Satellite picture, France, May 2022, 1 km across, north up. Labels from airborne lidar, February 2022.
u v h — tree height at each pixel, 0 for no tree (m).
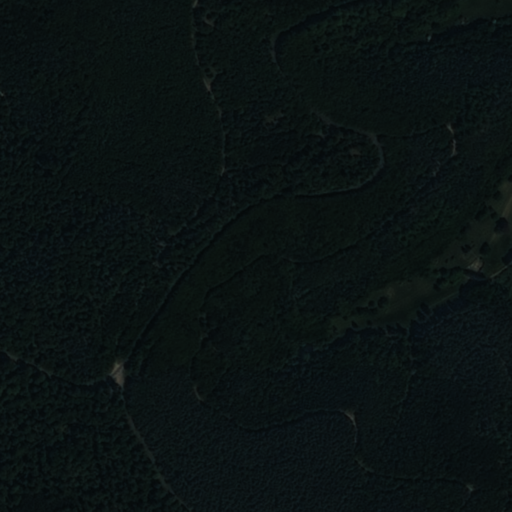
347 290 27
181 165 21
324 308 22
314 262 17
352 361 19
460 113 25
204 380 22
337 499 26
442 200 22
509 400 20
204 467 24
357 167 10
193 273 20
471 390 19
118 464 31
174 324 18
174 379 23
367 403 18
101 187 20
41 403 31
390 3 33
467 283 0
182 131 17
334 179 11
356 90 16
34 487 31
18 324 28
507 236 0
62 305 30
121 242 27
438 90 17
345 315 16
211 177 18
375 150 11
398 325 0
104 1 15
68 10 19
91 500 28
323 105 22
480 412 9
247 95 17
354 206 14
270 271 17
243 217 21
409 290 0
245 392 13
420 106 16
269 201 17
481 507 12
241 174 12
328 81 20
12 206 28
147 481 15
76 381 15
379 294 0
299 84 23
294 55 21
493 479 13
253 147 15
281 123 11
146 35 15
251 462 24
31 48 14
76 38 17
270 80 16
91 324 15
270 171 15
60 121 17
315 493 25
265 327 23
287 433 25
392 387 17
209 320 14
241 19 18
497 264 0
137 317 15
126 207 35
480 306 26
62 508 29
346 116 20
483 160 20
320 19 34
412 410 19
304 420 24
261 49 18
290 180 33
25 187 28
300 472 21
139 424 22
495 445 13
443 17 18
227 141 14
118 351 14
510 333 29
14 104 17
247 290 19
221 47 18
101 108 17
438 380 16
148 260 19
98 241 28
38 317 30
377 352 23
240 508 23
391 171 17
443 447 14
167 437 24
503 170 26
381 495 21
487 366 19
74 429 30
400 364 15
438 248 16
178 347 17
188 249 31
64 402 30
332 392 18
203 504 23
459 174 22
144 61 17
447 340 24
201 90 16
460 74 21
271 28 16
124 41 16
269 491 27
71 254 31
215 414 21
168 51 15
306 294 17
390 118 19
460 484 16
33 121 17
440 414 15
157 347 18
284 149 17
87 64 15
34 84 17
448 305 0
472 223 0
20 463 34
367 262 18
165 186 20
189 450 28
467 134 16
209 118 18
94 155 16
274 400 20
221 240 19
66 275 27
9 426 31
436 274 13
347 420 23
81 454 32
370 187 14
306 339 18
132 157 17
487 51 16
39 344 29
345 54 23
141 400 19
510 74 17
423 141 14
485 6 0
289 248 15
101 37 21
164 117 17
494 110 17
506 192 0
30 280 29
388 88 16
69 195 30
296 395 19
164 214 20
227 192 10
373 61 22
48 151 13
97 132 16
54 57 20
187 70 16
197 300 22
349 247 18
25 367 31
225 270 15
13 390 34
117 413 28
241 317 21
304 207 18
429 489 17
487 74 17
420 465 14
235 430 26
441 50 17
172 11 18
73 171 22
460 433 13
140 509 31
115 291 7
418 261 16
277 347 21
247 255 16
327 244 15
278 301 18
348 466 24
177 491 27
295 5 17
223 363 19
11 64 15
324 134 16
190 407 18
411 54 19
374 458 19
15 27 14
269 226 14
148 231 26
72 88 12
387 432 22
